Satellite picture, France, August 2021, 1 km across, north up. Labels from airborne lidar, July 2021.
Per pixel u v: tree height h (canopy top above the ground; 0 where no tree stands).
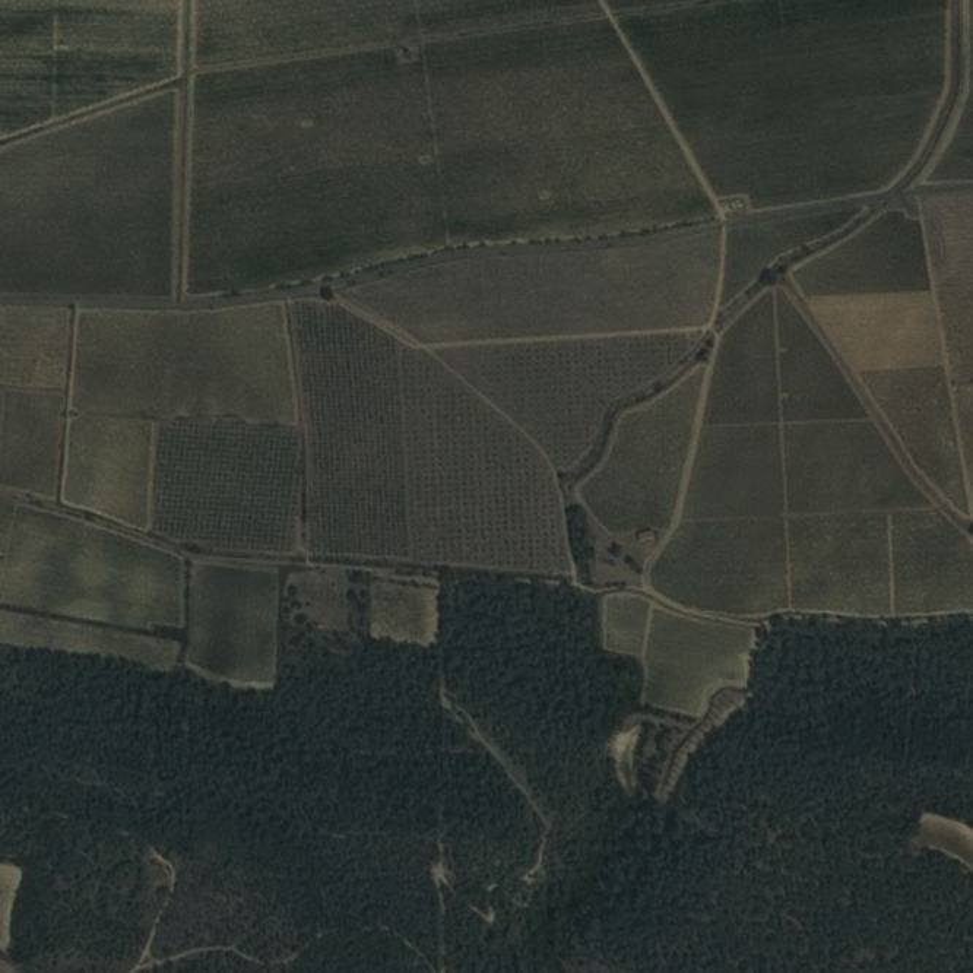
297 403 0
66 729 10
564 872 9
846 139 0
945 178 0
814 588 0
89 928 7
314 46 0
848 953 12
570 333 0
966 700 12
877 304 0
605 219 0
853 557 0
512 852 9
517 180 0
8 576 0
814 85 0
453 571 12
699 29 0
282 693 9
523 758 8
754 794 10
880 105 0
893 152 0
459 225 0
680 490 0
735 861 10
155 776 11
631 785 0
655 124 0
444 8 0
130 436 0
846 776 9
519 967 16
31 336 0
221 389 0
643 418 0
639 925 11
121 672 18
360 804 8
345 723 11
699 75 0
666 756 7
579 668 17
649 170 0
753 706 11
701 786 11
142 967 0
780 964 11
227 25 0
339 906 8
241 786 10
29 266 0
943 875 14
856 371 0
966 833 0
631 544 0
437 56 0
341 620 0
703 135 0
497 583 14
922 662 14
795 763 9
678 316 0
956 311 0
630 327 0
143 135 0
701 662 0
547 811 6
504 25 0
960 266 0
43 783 7
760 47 0
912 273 0
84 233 0
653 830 22
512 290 0
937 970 11
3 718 6
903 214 0
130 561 0
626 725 0
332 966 10
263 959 7
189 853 6
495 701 10
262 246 0
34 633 0
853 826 17
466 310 0
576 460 0
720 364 0
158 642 0
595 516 0
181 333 0
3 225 0
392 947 9
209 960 6
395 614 0
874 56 0
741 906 13
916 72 0
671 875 13
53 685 7
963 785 9
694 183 0
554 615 16
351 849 8
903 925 13
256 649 0
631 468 0
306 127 0
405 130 0
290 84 0
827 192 0
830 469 0
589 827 11
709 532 0
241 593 0
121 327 0
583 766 12
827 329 0
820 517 0
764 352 0
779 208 0
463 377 0
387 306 0
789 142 0
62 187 0
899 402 0
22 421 0
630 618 0
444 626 13
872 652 15
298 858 6
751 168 0
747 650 0
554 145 0
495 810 10
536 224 0
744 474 0
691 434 0
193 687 10
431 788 11
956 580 0
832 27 0
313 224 0
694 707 0
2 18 0
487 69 0
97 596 0
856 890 12
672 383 0
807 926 13
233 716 10
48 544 0
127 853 9
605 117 0
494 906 13
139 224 0
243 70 0
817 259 0
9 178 0
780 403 0
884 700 13
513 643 17
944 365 0
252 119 0
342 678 7
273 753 16
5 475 0
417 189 0
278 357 0
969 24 0
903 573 0
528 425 0
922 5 0
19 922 0
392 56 0
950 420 0
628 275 0
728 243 0
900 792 8
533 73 0
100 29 0
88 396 0
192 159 0
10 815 7
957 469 0
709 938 13
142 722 14
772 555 0
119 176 0
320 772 11
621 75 0
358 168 0
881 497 0
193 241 0
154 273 0
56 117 0
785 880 9
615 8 0
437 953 9
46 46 0
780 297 0
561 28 0
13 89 0
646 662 0
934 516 0
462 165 0
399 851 7
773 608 0
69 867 10
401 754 8
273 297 0
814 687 15
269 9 0
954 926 11
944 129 0
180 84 0
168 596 0
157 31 0
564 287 0
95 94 0
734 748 13
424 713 12
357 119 0
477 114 0
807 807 12
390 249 0
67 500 0
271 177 0
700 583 0
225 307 0
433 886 11
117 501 0
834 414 0
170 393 0
